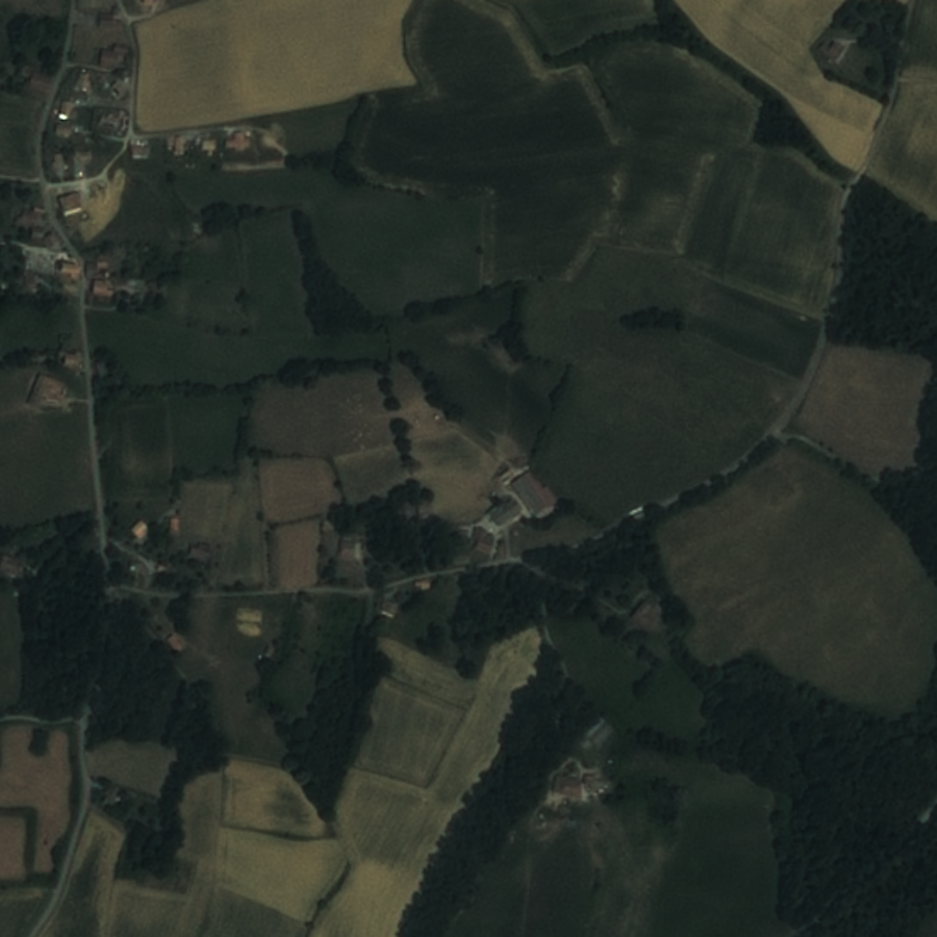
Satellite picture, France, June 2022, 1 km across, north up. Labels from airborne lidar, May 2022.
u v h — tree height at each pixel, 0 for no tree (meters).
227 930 0
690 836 0
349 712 7
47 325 0
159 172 0
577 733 18
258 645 0
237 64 0
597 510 0
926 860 25
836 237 0
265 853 0
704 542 0
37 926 0
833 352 0
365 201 0
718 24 0
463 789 0
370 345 0
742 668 22
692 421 0
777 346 0
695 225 0
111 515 10
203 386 8
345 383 0
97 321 0
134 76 0
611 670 0
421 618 0
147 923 0
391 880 0
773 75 0
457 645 14
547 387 0
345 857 0
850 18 15
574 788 0
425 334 0
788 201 0
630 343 0
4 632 0
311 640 0
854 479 8
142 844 11
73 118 0
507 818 18
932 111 0
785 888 19
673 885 0
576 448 0
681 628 9
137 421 0
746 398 0
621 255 0
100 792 9
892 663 0
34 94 0
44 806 0
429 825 0
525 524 11
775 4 0
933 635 0
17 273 12
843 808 18
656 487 0
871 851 22
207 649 0
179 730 19
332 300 19
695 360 0
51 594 19
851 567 0
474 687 0
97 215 0
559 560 23
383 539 19
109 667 22
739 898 0
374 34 0
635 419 0
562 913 0
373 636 13
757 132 7
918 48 0
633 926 0
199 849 0
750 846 0
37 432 0
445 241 0
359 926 0
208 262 0
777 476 0
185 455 0
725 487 6
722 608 0
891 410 0
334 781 9
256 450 12
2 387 0
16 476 0
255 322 0
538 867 0
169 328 0
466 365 0
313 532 0
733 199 0
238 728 0
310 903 0
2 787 0
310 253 15
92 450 0
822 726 23
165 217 0
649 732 16
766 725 29
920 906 19
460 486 0
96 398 6
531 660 0
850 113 0
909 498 22
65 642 18
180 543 0
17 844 0
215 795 0
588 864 0
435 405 9
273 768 0
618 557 24
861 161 0
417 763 0
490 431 0
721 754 16
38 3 0
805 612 0
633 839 0
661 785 11
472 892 16
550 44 0
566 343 0
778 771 20
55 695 16
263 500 0
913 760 20
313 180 0
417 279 0
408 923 20
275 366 0
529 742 13
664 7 14
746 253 0
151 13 0
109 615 19
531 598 25
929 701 9
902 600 0
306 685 0
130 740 15
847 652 0
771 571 0
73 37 0
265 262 0
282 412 0
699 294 0
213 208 12
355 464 0
